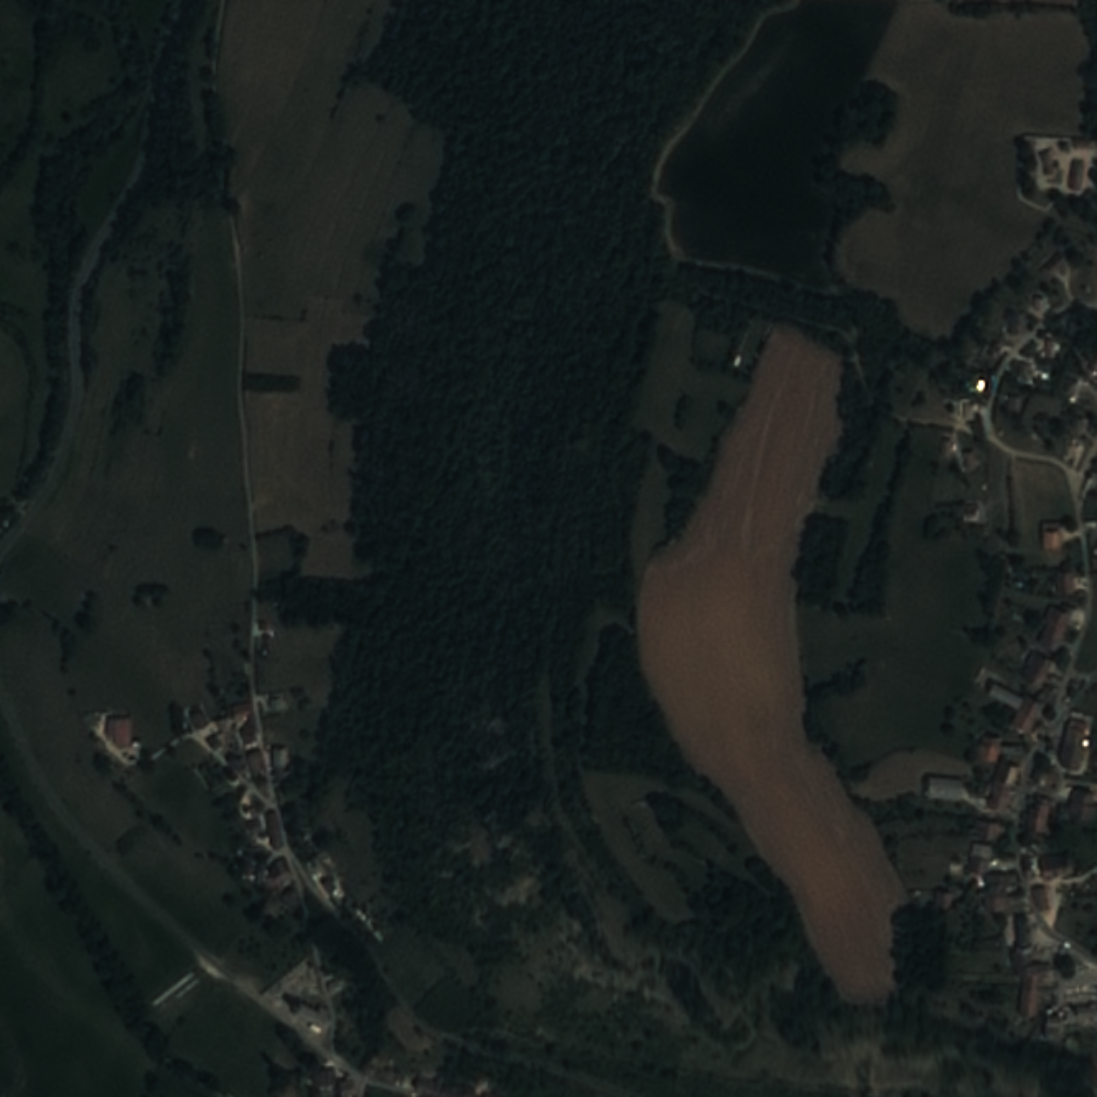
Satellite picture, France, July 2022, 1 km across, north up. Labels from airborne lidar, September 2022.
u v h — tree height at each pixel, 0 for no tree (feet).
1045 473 0
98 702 0
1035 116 0
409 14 36
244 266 0
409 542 54
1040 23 0
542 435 52
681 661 0
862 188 49
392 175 0
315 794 36
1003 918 49
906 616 0
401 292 54
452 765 25
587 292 24
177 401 0
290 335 0
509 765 25
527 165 48
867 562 39
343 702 49
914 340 41
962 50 0
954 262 0
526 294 54
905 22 0
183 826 0
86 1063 0
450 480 30
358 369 56
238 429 0
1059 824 46
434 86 51
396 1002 25
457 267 59
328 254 0
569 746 22
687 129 0
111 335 0
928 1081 0
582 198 55
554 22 60
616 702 61
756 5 49
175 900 0
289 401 0
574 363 48
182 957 0
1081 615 0
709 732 0
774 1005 21
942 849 0
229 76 0
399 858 22
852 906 0
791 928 44
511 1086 38
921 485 0
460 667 42
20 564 0
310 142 0
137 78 35
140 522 0
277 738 0
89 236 48
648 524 0
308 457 0
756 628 0
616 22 63
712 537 0
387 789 25
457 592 52
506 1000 0
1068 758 0
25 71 0
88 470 0
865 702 0
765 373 0
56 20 31
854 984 0
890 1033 35
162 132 71
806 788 0
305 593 46
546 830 27
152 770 42
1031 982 0
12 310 33
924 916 48
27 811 43
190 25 57
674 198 0
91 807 0
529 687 58
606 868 23
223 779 22
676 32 47
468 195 55
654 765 49
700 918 21
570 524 23
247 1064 0
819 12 0
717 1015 33
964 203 0
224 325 0
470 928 19
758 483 0
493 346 47
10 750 0
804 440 0
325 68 0
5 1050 0
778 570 0
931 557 0
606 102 61
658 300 27
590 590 24
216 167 64
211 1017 0
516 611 51
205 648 0
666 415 0
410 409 67
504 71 50
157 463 0
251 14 0
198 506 0
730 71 0
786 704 0
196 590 0
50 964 0
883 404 47
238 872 35
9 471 0
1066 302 0
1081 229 0
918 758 0
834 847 0
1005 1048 54
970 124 0
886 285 0
